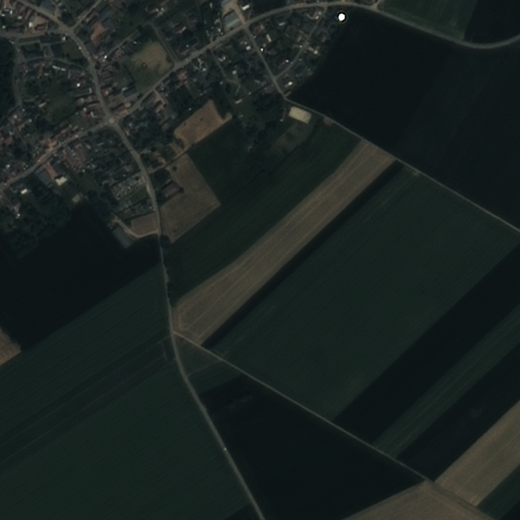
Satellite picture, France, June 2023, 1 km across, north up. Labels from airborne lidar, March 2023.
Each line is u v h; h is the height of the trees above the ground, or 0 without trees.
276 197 0
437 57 0
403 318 0
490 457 0
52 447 0
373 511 0
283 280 0
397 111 0
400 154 0
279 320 0
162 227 0
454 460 0
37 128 10
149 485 0
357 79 0
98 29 0
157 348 0
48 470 0
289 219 0
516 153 0
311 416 0
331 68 0
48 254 0
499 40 0
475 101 0
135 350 0
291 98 0
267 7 0
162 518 0
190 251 0
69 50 0
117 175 0
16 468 0
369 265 0
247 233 0
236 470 0
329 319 0
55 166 0
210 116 0
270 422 0
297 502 0
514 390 0
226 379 0
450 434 0
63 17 12
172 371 0
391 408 0
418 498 0
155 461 0
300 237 0
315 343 0
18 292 0
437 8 0
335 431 0
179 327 0
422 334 0
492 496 0
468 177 0
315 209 0
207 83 0
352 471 0
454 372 0
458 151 0
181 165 0
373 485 0
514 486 0
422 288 0
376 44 0
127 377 0
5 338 0
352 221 0
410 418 0
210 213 0
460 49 0
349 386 0
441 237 0
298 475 0
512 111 0
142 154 7
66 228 0
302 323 0
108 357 0
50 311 0
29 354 0
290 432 0
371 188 0
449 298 0
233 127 0
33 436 0
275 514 0
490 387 0
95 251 0
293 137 0
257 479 0
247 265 0
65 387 0
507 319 0
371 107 0
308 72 0
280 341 0
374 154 0
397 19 0
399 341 0
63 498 0
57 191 0
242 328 0
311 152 0
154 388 0
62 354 0
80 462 0
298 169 0
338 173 0
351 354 0
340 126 0
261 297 0
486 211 0
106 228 0
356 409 0
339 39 0
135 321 0
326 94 0
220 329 0
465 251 0
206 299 0
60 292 0
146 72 0
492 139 0
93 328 0
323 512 0
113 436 0
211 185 0
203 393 0
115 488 0
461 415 0
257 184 0
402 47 0
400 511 0
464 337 0
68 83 8
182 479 0
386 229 0
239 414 0
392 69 0
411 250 0
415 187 0
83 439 0
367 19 0
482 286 0
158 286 0
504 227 0
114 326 0
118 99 0
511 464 0
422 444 0
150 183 0
